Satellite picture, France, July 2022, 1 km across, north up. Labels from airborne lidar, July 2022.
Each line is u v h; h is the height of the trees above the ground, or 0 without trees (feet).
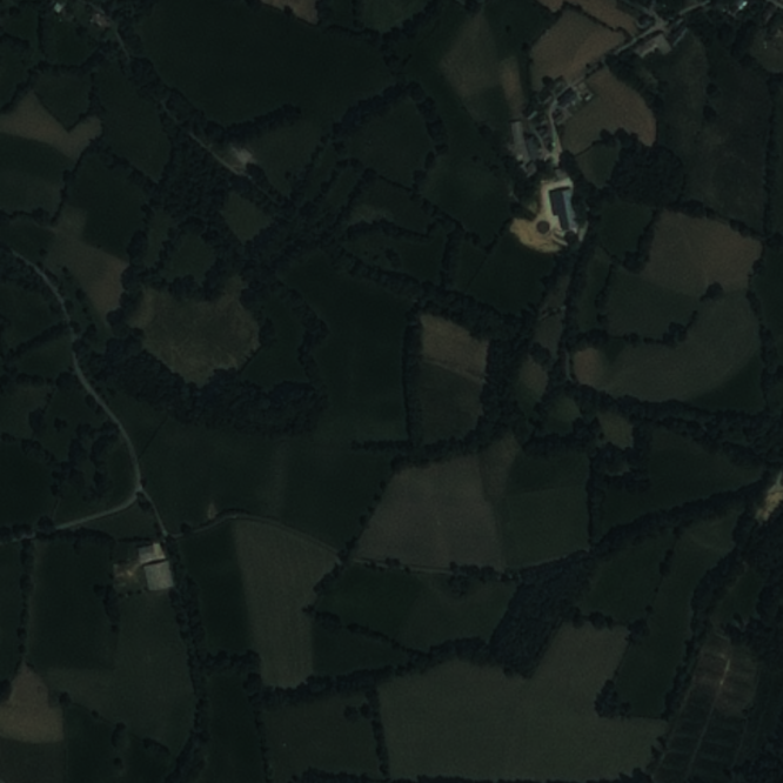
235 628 0
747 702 0
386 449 53
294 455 0
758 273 42
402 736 0
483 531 0
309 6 0
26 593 43
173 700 0
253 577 0
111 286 0
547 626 78
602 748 0
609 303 40
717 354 0
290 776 0
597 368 0
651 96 49
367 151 0
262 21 0
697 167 0
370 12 0
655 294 0
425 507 0
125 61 44
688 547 0
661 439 0
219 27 0
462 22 0
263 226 0
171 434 0
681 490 0
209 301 61
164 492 0
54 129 0
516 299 0
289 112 66
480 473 0
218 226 66
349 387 0
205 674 48
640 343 52
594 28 0
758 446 68
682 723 0
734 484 0
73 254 0
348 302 0
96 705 0
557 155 0
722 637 0
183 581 59
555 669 0
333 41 0
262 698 65
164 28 0
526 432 78
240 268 66
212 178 53
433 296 57
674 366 0
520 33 0
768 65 0
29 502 0
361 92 0
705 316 0
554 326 0
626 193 55
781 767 55
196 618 59
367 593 0
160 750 65
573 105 0
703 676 0
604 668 0
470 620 0
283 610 0
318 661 0
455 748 0
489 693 0
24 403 0
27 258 0
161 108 43
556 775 0
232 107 0
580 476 0
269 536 0
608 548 61
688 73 0
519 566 0
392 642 23
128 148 0
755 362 0
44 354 0
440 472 0
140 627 0
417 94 72
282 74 0
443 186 0
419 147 0
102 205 0
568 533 0
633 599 0
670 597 0
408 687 0
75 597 0
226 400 76
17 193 0
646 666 0
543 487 0
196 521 0
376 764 0
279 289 66
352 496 0
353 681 56
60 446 0
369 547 0
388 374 0
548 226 0
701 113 0
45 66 54
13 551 0
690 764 0
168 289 25
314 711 0
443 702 0
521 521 0
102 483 74
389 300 0
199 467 0
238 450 0
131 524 0
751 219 0
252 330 0
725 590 62
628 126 0
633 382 0
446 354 0
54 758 0
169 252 62
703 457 0
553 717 0
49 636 0
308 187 28
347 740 0
